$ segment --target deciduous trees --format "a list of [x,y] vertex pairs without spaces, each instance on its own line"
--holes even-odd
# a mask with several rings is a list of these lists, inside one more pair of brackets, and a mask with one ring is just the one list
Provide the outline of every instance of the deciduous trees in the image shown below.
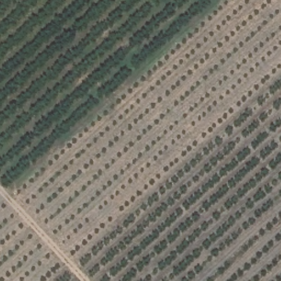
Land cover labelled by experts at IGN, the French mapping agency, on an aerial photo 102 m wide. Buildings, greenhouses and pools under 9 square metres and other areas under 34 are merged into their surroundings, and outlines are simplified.
[[128,226],[134,221],[134,215],[131,213],[127,217],[117,216],[116,228],[91,249],[93,255],[97,255],[103,245],[122,233],[120,224]]
[[238,151],[237,157],[221,168],[220,173],[203,183],[201,189],[193,191],[188,199],[183,201],[186,209],[249,154],[249,148],[244,147]]
[[254,178],[249,179],[243,188],[238,189],[237,194],[225,202],[226,209],[267,175],[267,168],[261,168]]
[[9,205],[13,200],[14,194],[26,189],[25,180],[34,182],[43,176],[45,170],[53,165],[53,161],[65,153],[64,146],[69,148],[74,145],[77,138],[88,132],[95,122],[112,112],[128,93],[149,80],[153,72],[167,63],[171,54],[175,54],[188,38],[199,32],[204,26],[204,19],[212,20],[213,16],[231,0],[0,0],[0,211],[5,205]]
[[132,260],[181,215],[182,211],[178,207],[164,223],[154,229],[153,233],[128,251],[128,258]]
[[226,260],[206,281],[214,281],[243,256],[256,240],[267,234],[274,225],[281,223],[281,212],[267,224],[266,228],[260,229],[259,234],[252,236],[241,246],[234,256]]
[[186,192],[191,186],[188,181],[180,187],[180,191],[173,192],[171,198],[162,202],[155,212],[149,213],[146,220],[140,220],[131,235],[125,236],[117,246],[124,249],[133,238],[143,233],[150,222],[154,222],[162,211],[166,211],[169,205]]
[[136,272],[142,271],[144,266],[148,265],[150,258],[160,254],[180,232],[186,231],[192,223],[198,221],[204,209],[209,209],[247,172],[257,166],[258,158],[252,157],[244,168],[210,196],[210,200],[203,201],[198,211],[193,212],[186,221],[173,229],[173,232],[162,239],[150,254],[136,263],[135,268],[126,272],[120,281],[130,281]]
[[207,161],[196,173],[193,181],[198,181],[234,148],[239,142],[239,137],[233,142],[228,142],[221,153]]
[[209,220],[203,222],[201,227],[195,228],[188,240],[182,240],[175,250],[170,251],[168,257],[161,259],[158,262],[159,269],[168,266],[180,252],[193,243],[207,226],[213,223]]
[[281,232],[271,238],[268,244],[256,252],[254,258],[226,281],[235,281],[271,249],[274,241],[281,239]]
[[38,281],[68,281],[71,272],[65,263],[60,262]]
[[191,281],[195,274],[201,272],[214,256],[218,255],[218,252],[231,245],[241,232],[255,224],[262,213],[267,212],[281,199],[281,181],[273,189],[263,184],[238,212],[229,216],[228,220],[217,228],[216,233],[204,239],[202,245],[193,249],[191,255],[184,257],[173,267],[169,276],[171,279],[184,269],[189,270],[188,277],[183,277],[180,281]]

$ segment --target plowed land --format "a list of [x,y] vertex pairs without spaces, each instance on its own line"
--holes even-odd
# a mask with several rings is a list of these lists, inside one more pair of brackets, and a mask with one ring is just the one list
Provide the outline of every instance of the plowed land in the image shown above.
[[226,260],[234,256],[241,246],[252,236],[259,234],[260,229],[266,228],[267,224],[281,212],[281,199],[267,212],[262,213],[255,224],[241,232],[231,245],[218,252],[218,255],[214,256],[201,272],[195,274],[191,281],[206,281]]
[[142,204],[146,196],[148,198],[154,192],[160,199],[160,183],[170,181],[179,169],[195,157],[195,154],[201,154],[203,147],[207,146],[212,137],[220,136],[228,142],[225,127],[240,114],[237,101],[248,91],[258,87],[270,87],[281,77],[281,0],[231,0],[213,16],[212,20],[204,19],[204,26],[199,32],[188,38],[175,54],[171,54],[167,63],[153,72],[149,80],[128,93],[112,112],[95,122],[88,132],[77,138],[74,145],[69,148],[64,146],[65,153],[53,161],[53,165],[45,170],[43,176],[34,182],[25,180],[26,189],[14,194],[13,200],[20,203],[46,235],[66,254],[70,254],[80,268],[80,258],[91,249],[116,228],[117,216],[127,217],[131,213]]
[[268,244],[271,238],[281,232],[281,223],[274,225],[267,234],[256,240],[243,256],[214,281],[226,281],[254,258],[256,252]]
[[60,262],[55,252],[41,244],[41,238],[31,227],[22,223],[19,214],[9,205],[5,205],[0,211],[0,281],[38,281]]
[[281,281],[281,239],[274,241],[271,249],[235,281]]

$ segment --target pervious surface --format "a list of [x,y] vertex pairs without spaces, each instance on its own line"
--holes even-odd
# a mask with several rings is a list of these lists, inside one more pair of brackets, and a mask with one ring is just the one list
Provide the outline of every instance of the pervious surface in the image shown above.
[[60,262],[65,263],[71,272],[68,281],[90,281],[80,268],[70,254],[66,254],[46,235],[20,203],[13,200],[9,205],[19,214],[22,223],[31,227],[41,238],[41,244],[55,252]]

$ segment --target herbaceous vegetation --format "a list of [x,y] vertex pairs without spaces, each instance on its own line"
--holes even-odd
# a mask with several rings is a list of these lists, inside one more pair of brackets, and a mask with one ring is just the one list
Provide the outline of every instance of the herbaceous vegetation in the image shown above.
[[[207,146],[203,147],[201,154],[195,154],[195,157],[179,169],[170,181],[160,183],[160,199],[154,192],[148,198],[146,196],[142,204],[131,213],[134,215],[134,221],[128,226],[120,224],[122,233],[103,245],[97,255],[93,255],[91,249],[80,258],[80,268],[90,281],[120,281],[126,272],[135,268],[136,263],[150,254],[162,239],[173,232],[173,229],[186,221],[193,212],[198,211],[203,201],[210,200],[210,196],[244,168],[252,157],[258,158],[257,166],[247,172],[209,209],[204,209],[198,221],[192,223],[186,231],[180,232],[160,254],[150,258],[148,265],[144,266],[142,271],[136,272],[130,281],[180,281],[183,277],[188,277],[189,270],[184,269],[171,279],[169,276],[173,267],[184,257],[191,255],[193,249],[202,245],[204,239],[216,233],[217,228],[228,220],[229,216],[238,212],[263,184],[273,189],[281,181],[281,77],[270,87],[258,87],[248,91],[237,101],[240,114],[225,127],[228,142],[233,142],[239,137],[239,142],[234,148],[198,181],[193,181],[196,173],[207,161],[221,153],[228,142],[220,136],[212,137]],[[193,191],[201,189],[203,183],[220,173],[221,168],[237,157],[238,151],[244,147],[249,148],[249,154],[186,209],[183,201],[188,199]],[[267,168],[267,175],[226,209],[225,202],[237,194],[238,189],[243,188],[249,179],[254,178],[261,168]],[[162,211],[154,222],[150,222],[143,233],[133,238],[124,249],[117,246],[125,236],[131,235],[140,220],[146,220],[149,213],[155,212],[162,202],[171,198],[173,192],[180,191],[180,187],[188,181],[191,186],[186,192],[169,205],[166,211]],[[154,229],[164,223],[178,207],[182,211],[181,215],[132,260],[128,258],[128,251],[153,233]],[[168,266],[159,269],[158,262],[161,259],[168,257],[170,251],[175,250],[182,240],[188,240],[195,228],[201,227],[203,222],[209,220],[213,223],[207,226],[193,243],[180,252]]]

